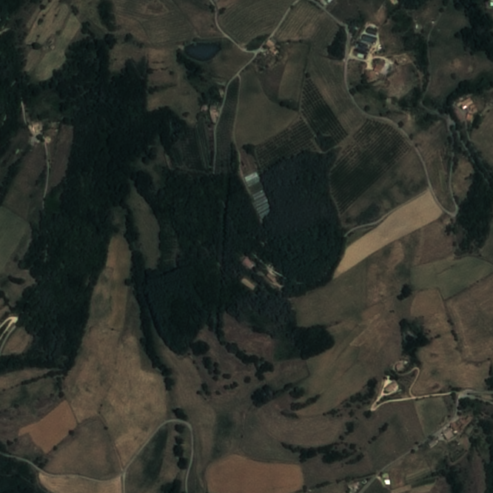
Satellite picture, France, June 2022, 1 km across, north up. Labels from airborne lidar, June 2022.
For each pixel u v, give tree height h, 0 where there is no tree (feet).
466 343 0
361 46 0
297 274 75
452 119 22
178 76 0
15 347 0
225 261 40
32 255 35
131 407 0
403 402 0
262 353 0
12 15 38
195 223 47
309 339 44
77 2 0
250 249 45
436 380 0
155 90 38
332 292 0
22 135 0
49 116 0
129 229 44
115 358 0
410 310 0
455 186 0
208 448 0
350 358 0
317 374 0
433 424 0
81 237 47
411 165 0
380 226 0
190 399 0
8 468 35
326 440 0
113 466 0
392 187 0
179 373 0
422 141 0
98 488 0
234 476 0
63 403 0
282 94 0
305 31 0
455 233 35
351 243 0
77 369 0
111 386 0
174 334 66
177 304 38
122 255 0
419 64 25
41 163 0
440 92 0
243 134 0
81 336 38
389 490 0
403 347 28
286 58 0
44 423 0
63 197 45
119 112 54
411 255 0
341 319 0
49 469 0
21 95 33
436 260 0
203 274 42
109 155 37
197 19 0
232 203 47
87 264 29
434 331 0
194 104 0
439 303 0
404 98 0
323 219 22
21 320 33
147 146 60
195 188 45
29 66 0
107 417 0
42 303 50
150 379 0
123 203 86
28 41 0
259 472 0
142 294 64
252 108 0
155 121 37
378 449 0
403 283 0
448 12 0
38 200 0
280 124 0
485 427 59
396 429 0
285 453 0
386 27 0
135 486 0
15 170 47
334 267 41
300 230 59
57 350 47
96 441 0
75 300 43
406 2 39
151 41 0
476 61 0
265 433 0
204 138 0
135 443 0
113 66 0
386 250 0
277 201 53
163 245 25
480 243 26
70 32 0
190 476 0
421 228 0
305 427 0
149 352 75
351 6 0
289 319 55
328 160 32
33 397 0
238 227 46
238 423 0
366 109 30
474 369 0
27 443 0
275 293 26
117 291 0
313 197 70
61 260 41
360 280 0
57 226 42
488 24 66
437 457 0
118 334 0
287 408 0
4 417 0
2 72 63
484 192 32
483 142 0
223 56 0
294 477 0
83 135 38
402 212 0
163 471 0
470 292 0
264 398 41
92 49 58
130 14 0
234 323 0
